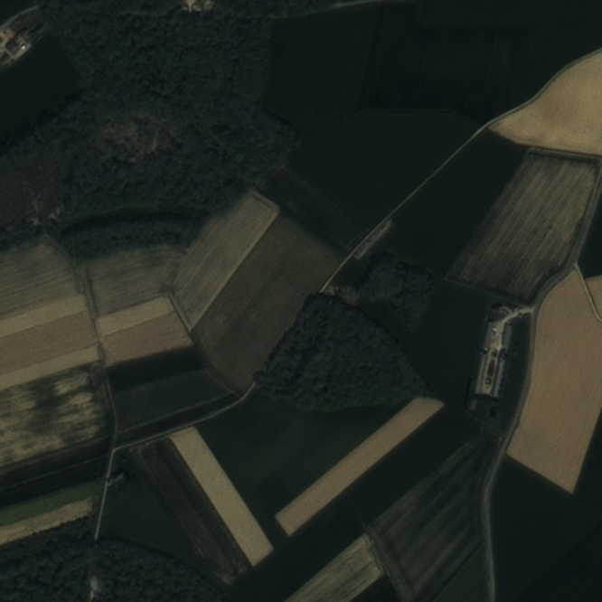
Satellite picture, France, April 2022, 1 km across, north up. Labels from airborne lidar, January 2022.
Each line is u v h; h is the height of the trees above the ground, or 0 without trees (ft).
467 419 0
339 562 0
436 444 0
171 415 0
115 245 79
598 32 0
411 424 0
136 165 91
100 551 74
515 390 0
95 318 0
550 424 0
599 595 0
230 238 0
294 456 0
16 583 88
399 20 0
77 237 83
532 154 0
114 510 0
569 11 0
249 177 54
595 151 0
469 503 0
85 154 86
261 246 0
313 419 0
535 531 0
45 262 0
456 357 0
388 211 0
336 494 0
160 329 0
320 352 98
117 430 0
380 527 0
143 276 0
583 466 0
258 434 0
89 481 0
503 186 0
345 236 0
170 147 96
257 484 0
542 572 0
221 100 81
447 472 0
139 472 0
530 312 0
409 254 0
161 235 88
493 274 0
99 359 0
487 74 0
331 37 0
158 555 70
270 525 0
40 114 0
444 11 0
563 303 0
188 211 0
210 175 86
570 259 0
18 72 0
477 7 0
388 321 0
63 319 0
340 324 86
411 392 50
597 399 0
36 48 0
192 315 0
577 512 0
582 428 0
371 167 0
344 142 0
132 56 82
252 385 0
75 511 0
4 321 0
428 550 0
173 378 0
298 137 58
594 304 0
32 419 0
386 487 0
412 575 0
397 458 0
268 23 69
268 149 77
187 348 0
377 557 0
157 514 0
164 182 79
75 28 91
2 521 0
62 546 56
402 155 0
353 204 0
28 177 0
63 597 73
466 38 0
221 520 0
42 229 54
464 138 0
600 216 0
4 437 0
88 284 0
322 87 0
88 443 0
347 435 0
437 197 0
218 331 0
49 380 0
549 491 0
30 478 0
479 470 0
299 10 56
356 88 0
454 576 0
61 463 0
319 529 0
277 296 0
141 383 0
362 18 0
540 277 0
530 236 0
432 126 0
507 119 0
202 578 49
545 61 0
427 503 0
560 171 0
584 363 0
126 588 88
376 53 0
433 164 0
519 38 0
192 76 75
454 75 0
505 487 0
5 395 0
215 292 0
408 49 0
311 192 0
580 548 0
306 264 0
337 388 80
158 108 100
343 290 0
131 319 0
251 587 0
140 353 0
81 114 85
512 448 0
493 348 0
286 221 0
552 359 0
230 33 87
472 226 0
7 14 0
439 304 0
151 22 42
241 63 83
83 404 0
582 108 0
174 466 0
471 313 0
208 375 0
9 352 0
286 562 0
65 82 0
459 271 0
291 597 0
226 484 0
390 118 0
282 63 0
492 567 0
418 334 0
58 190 0
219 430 0
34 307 0
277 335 0
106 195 80
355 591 0
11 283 0
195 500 0
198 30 88
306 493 0
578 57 0
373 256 0
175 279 0
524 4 0
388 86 0
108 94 83
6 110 0
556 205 0
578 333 0
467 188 0
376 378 84
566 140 0
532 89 0
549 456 0
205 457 0
